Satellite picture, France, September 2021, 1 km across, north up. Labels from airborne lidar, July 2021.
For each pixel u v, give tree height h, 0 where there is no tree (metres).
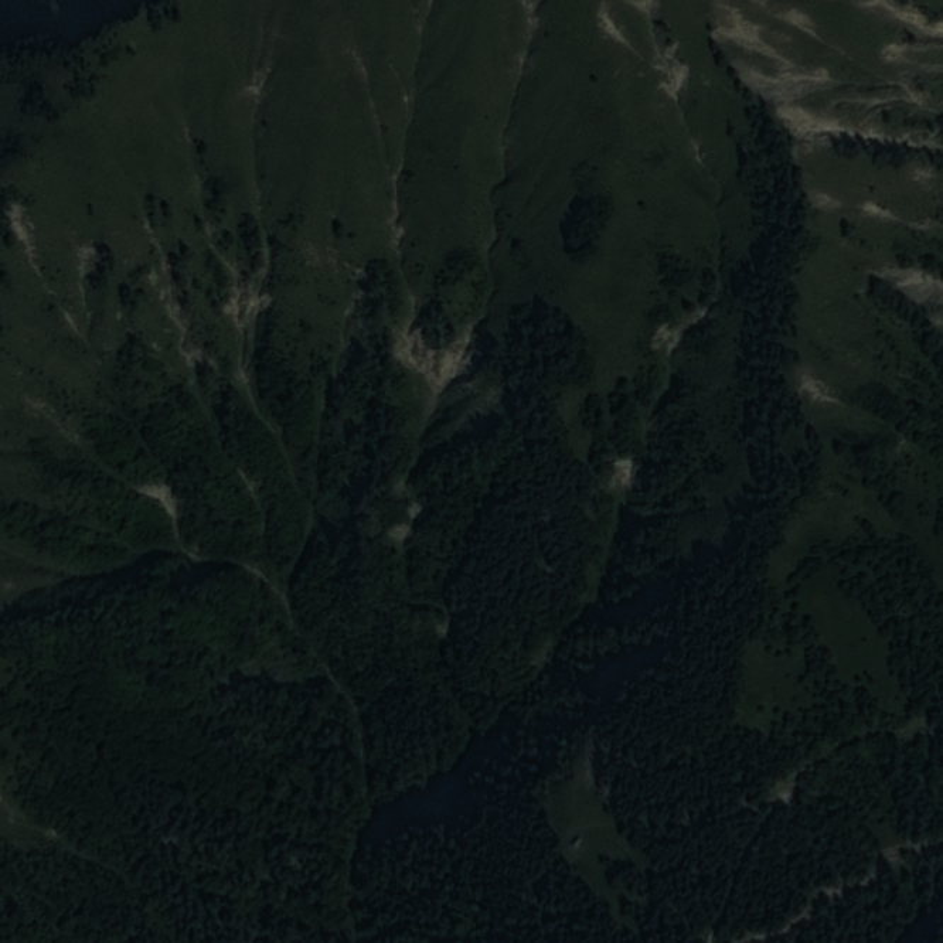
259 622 7
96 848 12
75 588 6
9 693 11
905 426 19
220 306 10
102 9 0
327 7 0
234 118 0
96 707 14
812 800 17
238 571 13
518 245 13
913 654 23
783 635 11
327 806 26
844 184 0
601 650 9
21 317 0
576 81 0
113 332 0
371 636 7
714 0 0
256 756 12
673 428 8
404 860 22
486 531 20
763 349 16
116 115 0
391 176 0
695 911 24
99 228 0
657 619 15
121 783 23
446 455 9
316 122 0
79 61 7
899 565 14
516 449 9
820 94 0
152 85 0
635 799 24
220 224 7
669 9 0
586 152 0
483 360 7
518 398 9
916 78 0
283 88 0
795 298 11
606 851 0
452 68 0
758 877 21
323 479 10
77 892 21
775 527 18
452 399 0
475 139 0
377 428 22
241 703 11
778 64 0
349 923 14
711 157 0
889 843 0
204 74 0
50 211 0
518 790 17
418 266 7
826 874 18
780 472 11
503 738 23
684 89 0
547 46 0
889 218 0
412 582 7
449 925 13
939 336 10
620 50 0
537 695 8
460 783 10
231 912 18
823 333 0
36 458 5
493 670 11
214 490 9
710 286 11
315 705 20
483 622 25
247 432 10
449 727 20
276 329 6
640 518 0
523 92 0
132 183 0
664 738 17
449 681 11
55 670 12
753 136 7
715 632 21
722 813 26
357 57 0
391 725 16
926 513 8
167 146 0
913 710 16
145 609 20
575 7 0
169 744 17
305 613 13
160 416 12
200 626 18
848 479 6
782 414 26
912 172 0
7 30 0
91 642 20
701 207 0
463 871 20
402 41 0
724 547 0
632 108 0
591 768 0
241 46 0
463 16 0
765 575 13
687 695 18
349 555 9
